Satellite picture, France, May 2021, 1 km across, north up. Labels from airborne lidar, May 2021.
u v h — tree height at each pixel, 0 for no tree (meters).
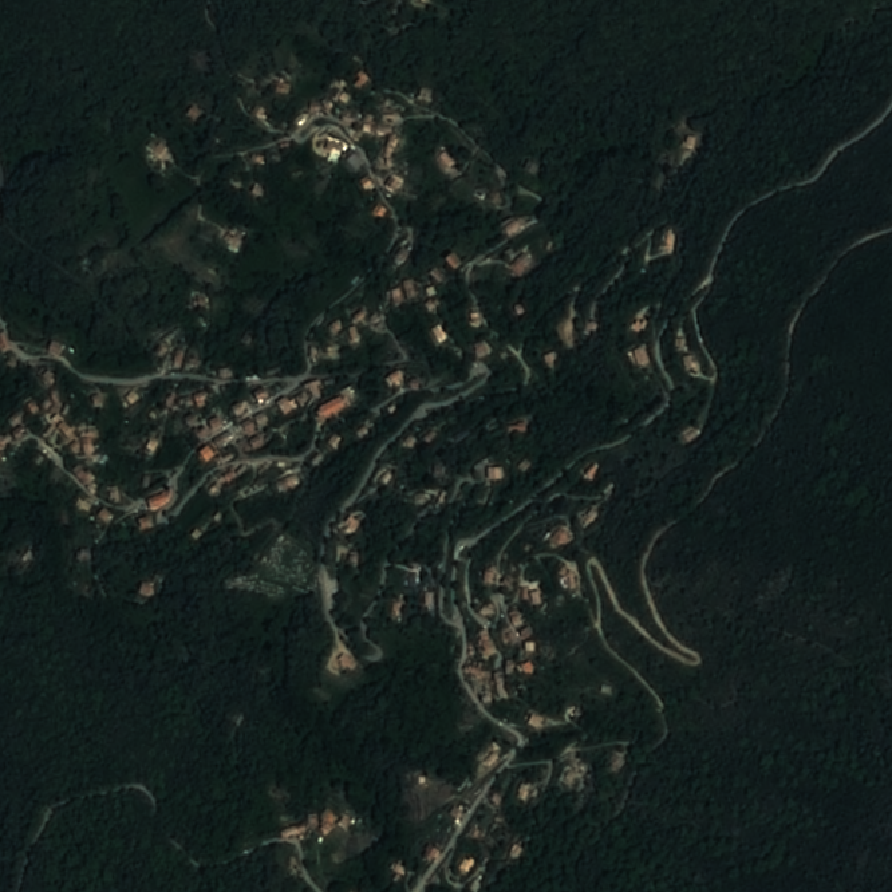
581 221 10
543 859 12
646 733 9
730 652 10
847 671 11
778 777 8
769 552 6
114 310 12
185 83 11
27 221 13
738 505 6
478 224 14
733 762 9
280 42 11
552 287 10
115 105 15
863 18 12
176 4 12
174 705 14
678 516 11
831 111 10
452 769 12
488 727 6
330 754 14
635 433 8
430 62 18
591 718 13
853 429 10
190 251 0
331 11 15
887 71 7
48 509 21
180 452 6
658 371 8
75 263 12
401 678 7
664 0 17
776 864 15
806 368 7
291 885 16
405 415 10
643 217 15
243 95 16
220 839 11
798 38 13
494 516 9
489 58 18
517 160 10
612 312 10
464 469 14
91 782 10
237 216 11
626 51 12
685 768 9
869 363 7
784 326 9
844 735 8
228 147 10
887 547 7
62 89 15
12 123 19
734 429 12
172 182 0
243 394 14
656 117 18
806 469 10
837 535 8
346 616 8
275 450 7
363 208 6
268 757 11
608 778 9
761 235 7
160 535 7
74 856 14
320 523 8
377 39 12
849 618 10
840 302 8
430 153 6
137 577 7
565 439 12
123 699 8
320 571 0
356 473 7
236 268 8
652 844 12
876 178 7
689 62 12
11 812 13
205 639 15
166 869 14
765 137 10
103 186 6
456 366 8
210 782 13
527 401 12
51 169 21
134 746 7
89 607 20
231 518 10
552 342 8
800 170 10
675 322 9
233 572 9
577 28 10
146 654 9
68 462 7
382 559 9
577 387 11
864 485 13
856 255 6
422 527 13
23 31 11
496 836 7
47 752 9
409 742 9
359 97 7
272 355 11
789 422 8
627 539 6
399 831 13
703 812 7
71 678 9
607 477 7
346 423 10
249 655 15
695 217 8
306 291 17
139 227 0
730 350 10
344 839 0
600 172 19
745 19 15
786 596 7
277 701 25
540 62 11
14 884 11
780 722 6
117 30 13
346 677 0
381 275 10
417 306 8
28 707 8
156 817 8
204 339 10
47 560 20
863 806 7
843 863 7
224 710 16
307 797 6
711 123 14
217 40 10
